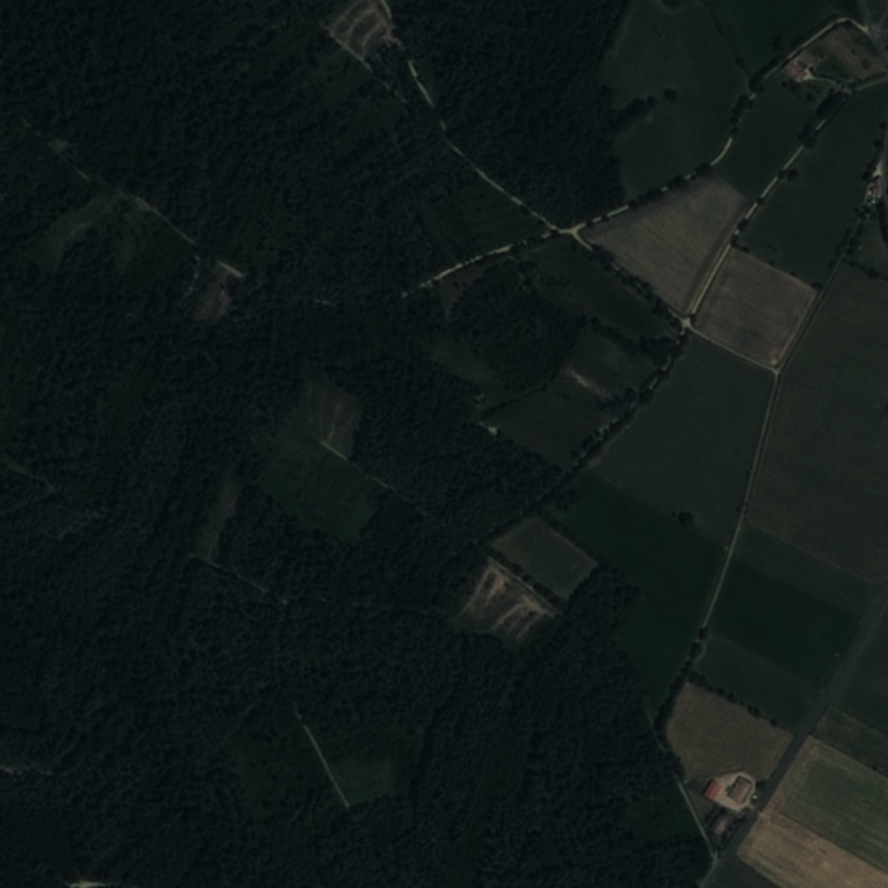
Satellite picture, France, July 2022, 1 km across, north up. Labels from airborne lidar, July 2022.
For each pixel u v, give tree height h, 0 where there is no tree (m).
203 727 25
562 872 22
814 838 0
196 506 21
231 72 26
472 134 25
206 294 25
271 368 23
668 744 11
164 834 11
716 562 0
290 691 21
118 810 27
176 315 31
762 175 0
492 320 9
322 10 22
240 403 22
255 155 18
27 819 15
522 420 0
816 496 0
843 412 0
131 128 17
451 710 27
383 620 21
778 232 0
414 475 22
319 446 0
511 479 19
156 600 17
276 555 17
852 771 0
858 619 0
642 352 12
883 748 0
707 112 0
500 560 15
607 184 12
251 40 23
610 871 10
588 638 23
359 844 20
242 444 27
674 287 0
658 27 0
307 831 11
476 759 19
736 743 0
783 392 0
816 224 0
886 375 0
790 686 0
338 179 23
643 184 0
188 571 15
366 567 28
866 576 0
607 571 16
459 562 21
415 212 22
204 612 20
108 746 14
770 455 0
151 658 18
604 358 0
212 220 8
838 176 0
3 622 15
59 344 12
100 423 24
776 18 0
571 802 10
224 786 16
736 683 0
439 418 23
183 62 27
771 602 0
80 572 25
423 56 20
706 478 0
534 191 26
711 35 0
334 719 18
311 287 26
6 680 16
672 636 0
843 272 0
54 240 0
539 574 0
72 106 21
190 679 20
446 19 33
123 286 23
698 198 0
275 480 0
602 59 9
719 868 0
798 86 11
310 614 12
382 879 10
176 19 17
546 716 19
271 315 20
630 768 23
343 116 19
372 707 27
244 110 18
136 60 14
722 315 0
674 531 0
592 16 16
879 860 0
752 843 0
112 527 26
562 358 8
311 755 7
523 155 26
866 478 0
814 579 0
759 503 0
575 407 0
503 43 23
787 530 0
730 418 0
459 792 17
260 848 17
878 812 0
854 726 0
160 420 21
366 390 21
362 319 14
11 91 17
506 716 8
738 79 0
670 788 10
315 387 0
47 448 25
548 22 6
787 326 0
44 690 24
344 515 0
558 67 9
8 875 22
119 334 29
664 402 0
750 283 0
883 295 0
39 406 22
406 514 10
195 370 21
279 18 23
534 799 24
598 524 0
